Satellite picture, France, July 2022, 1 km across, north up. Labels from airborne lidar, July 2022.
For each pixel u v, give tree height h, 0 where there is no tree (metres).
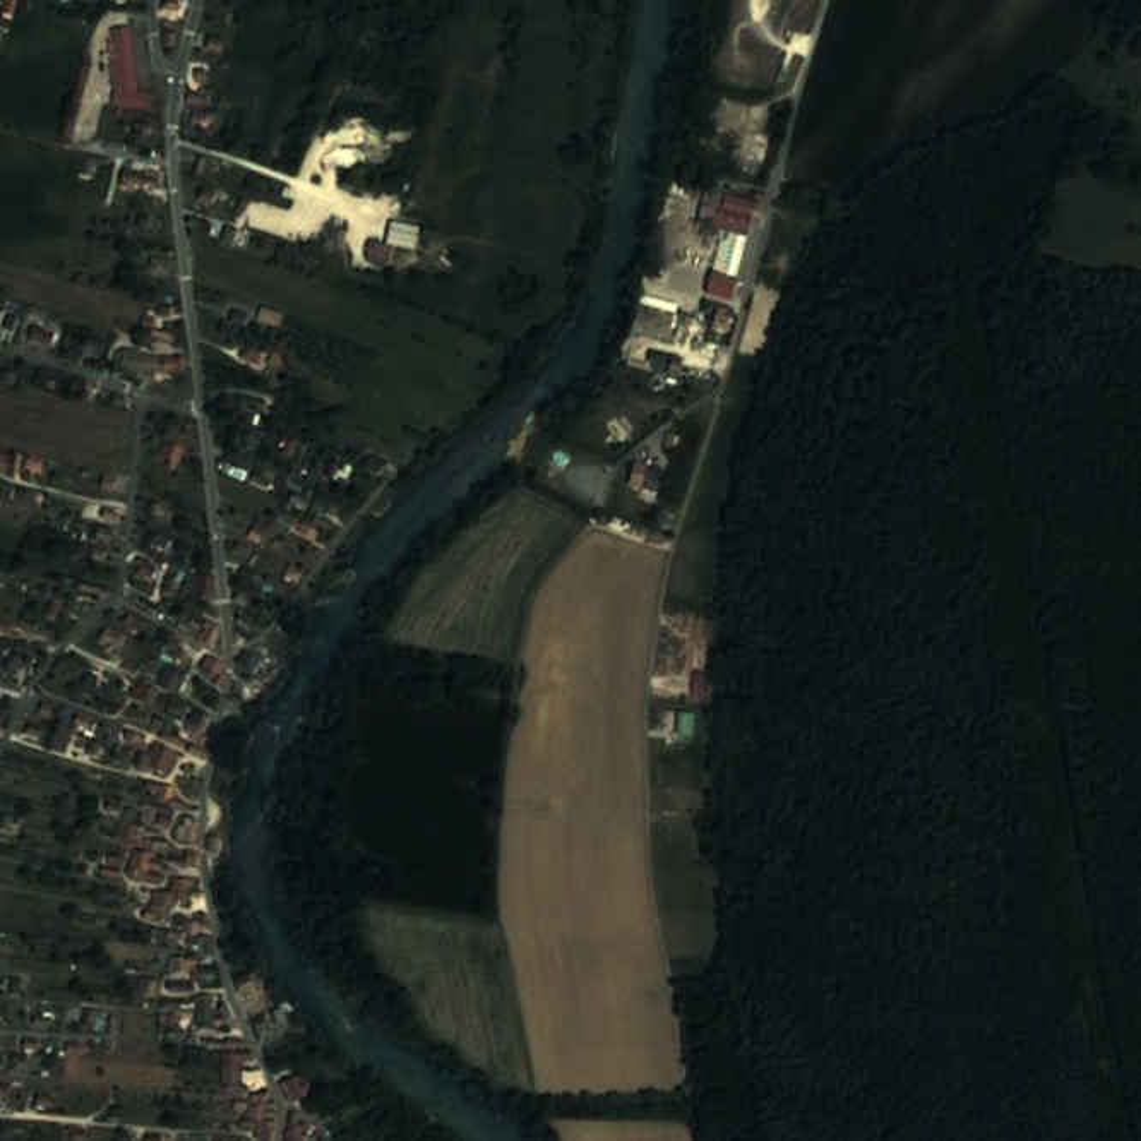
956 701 17
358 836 0
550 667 0
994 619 13
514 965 0
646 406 0
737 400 0
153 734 0
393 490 7
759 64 0
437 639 0
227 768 31
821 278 16
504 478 20
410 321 0
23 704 0
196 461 7
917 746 17
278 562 0
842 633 23
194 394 0
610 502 0
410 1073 0
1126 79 0
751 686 27
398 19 7
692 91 10
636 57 0
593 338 0
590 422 0
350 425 0
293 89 0
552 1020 0
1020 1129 15
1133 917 14
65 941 7
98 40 0
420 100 8
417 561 18
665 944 0
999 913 21
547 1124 7
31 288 0
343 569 0
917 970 18
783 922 22
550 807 0
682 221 0
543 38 0
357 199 0
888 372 24
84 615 0
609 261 0
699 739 0
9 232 0
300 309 0
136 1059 0
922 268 12
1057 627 18
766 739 23
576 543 0
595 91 0
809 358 20
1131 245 0
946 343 18
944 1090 16
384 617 19
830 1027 17
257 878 0
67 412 0
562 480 0
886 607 19
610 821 0
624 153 0
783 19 0
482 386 0
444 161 0
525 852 0
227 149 11
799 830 22
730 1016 17
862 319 25
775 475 27
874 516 23
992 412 7
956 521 11
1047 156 10
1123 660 14
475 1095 14
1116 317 23
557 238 0
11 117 0
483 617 0
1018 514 7
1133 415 18
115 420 0
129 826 0
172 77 0
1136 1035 9
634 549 0
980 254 10
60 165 0
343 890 29
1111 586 15
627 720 0
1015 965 16
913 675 15
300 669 0
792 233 0
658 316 0
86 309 0
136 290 6
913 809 21
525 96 0
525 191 0
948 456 5
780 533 23
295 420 9
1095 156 12
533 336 13
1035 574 13
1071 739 14
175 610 7
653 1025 0
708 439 0
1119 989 10
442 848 0
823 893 23
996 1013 17
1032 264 20
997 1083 15
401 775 0
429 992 0
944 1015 17
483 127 0
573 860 0
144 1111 0
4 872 0
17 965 0
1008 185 9
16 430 0
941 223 13
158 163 0
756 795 18
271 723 0
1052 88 20
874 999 23
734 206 0
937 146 10
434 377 0
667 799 0
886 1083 21
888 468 21
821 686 25
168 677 0
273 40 0
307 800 8
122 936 7
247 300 0
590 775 0
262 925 0
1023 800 18
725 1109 9
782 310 12
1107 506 13
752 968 12
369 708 0
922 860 21
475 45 0
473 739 0
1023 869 17
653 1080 0
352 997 18
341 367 7
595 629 0
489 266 0
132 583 6
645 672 0
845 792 27
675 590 0
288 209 0
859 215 9
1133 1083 11
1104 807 12
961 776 15
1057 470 11
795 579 21
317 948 14
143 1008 0
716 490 0
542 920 0
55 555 13
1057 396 12
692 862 0
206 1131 0
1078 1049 17
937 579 17
